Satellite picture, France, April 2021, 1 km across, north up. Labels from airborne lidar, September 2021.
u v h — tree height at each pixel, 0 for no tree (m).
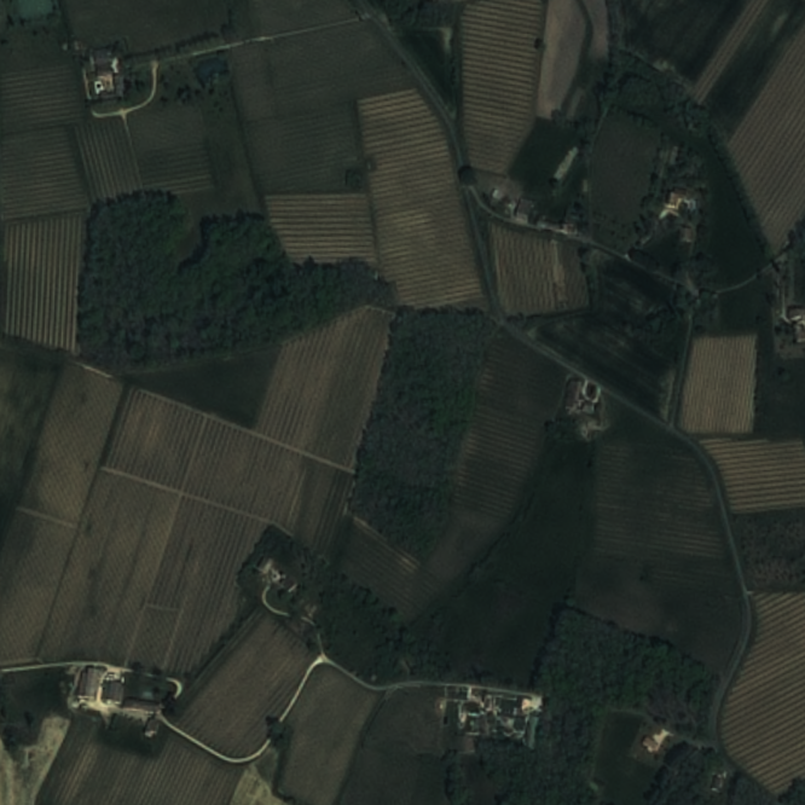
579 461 0
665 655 26
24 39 0
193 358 16
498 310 0
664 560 0
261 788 0
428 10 16
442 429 17
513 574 0
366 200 0
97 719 0
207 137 0
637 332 12
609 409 0
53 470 0
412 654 19
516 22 0
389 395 14
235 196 0
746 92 0
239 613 0
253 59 0
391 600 0
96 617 0
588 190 0
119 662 0
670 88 15
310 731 0
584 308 0
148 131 0
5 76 0
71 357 8
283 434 0
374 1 0
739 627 0
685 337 0
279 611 0
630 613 0
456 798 20
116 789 0
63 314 0
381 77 0
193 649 0
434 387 21
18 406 0
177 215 28
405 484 8
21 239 0
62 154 0
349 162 0
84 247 0
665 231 19
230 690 0
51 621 0
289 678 0
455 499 0
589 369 0
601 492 0
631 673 23
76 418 0
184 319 16
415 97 0
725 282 0
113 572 0
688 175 6
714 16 0
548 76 0
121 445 0
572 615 22
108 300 16
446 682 16
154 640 0
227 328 10
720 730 0
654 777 0
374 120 0
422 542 13
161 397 0
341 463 0
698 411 0
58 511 0
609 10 10
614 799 0
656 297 0
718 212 0
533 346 0
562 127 16
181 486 0
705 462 0
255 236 25
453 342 21
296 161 0
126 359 15
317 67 0
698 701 17
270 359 0
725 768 15
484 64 0
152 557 0
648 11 0
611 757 0
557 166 0
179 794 0
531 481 0
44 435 0
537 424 0
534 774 21
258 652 0
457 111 0
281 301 21
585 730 19
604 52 0
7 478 0
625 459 0
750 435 0
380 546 0
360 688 0
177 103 6
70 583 0
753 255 0
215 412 0
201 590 0
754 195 0
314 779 0
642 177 0
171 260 26
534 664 0
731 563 0
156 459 0
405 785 0
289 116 0
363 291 21
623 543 0
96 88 0
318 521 0
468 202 0
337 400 0
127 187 0
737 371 0
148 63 13
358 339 0
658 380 0
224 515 0
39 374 0
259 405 0
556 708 18
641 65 15
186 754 0
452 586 0
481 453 0
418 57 0
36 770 0
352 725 0
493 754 20
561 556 0
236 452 0
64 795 0
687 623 0
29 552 0
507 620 0
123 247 22
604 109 13
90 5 0
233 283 18
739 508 0
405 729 0
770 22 0
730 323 0
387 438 19
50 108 0
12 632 0
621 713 14
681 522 0
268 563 0
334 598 11
